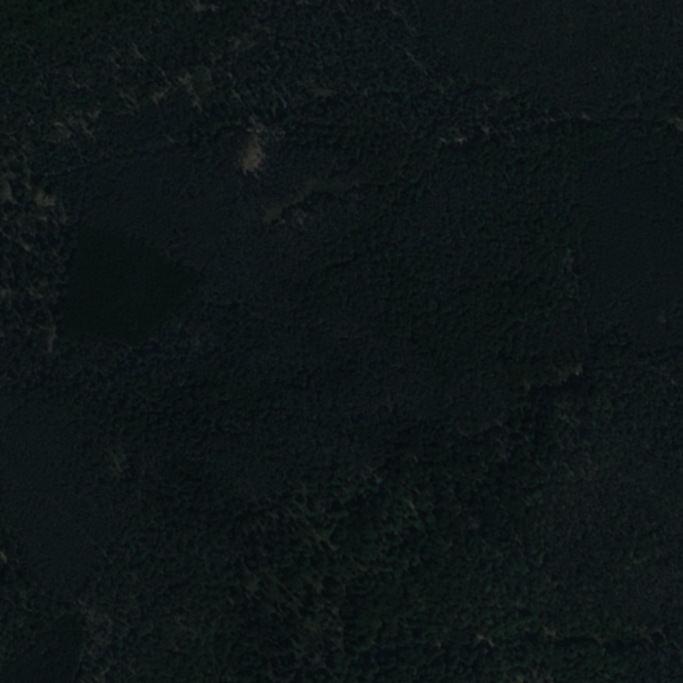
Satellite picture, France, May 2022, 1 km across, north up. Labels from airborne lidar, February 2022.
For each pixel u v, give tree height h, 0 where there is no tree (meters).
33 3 22
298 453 21
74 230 20
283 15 25
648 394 24
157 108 10
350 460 20
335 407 20
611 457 18
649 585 23
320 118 30
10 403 16
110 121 9
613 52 22
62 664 19
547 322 22
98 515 20
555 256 24
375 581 25
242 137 26
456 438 22
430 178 24
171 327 23
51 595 18
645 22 19
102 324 15
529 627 30
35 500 18
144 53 19
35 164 8
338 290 18
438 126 29
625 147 19
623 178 17
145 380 17
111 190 18
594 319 15
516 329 22
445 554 26
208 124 24
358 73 27
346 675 35
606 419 22
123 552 24
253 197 26
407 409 16
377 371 22
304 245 24
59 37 23
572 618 27
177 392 17
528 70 23
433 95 30
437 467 27
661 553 23
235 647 25
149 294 17
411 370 21
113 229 12
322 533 26
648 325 17
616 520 19
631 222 17
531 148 30
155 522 22
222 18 25
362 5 31
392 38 27
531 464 25
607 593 24
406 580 23
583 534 21
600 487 22
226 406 22
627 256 18
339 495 30
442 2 20
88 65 25
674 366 14
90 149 14
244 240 17
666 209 16
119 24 24
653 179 17
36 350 9
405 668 37
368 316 22
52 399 13
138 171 20
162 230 19
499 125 29
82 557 14
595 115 23
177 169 20
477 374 19
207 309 18
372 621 35
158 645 22
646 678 29
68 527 16
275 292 21
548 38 20
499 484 28
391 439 14
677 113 28
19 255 26
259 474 20
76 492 22
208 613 22
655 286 17
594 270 15
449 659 33
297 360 20
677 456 20
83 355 18
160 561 23
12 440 20
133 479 22
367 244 26
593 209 15
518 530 26
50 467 20
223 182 19
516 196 28
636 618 24
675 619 26
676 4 24
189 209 19
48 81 24
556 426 24
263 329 20
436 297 21
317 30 30
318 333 21
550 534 22
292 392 19
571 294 21
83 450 22
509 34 19
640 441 21
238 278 21
